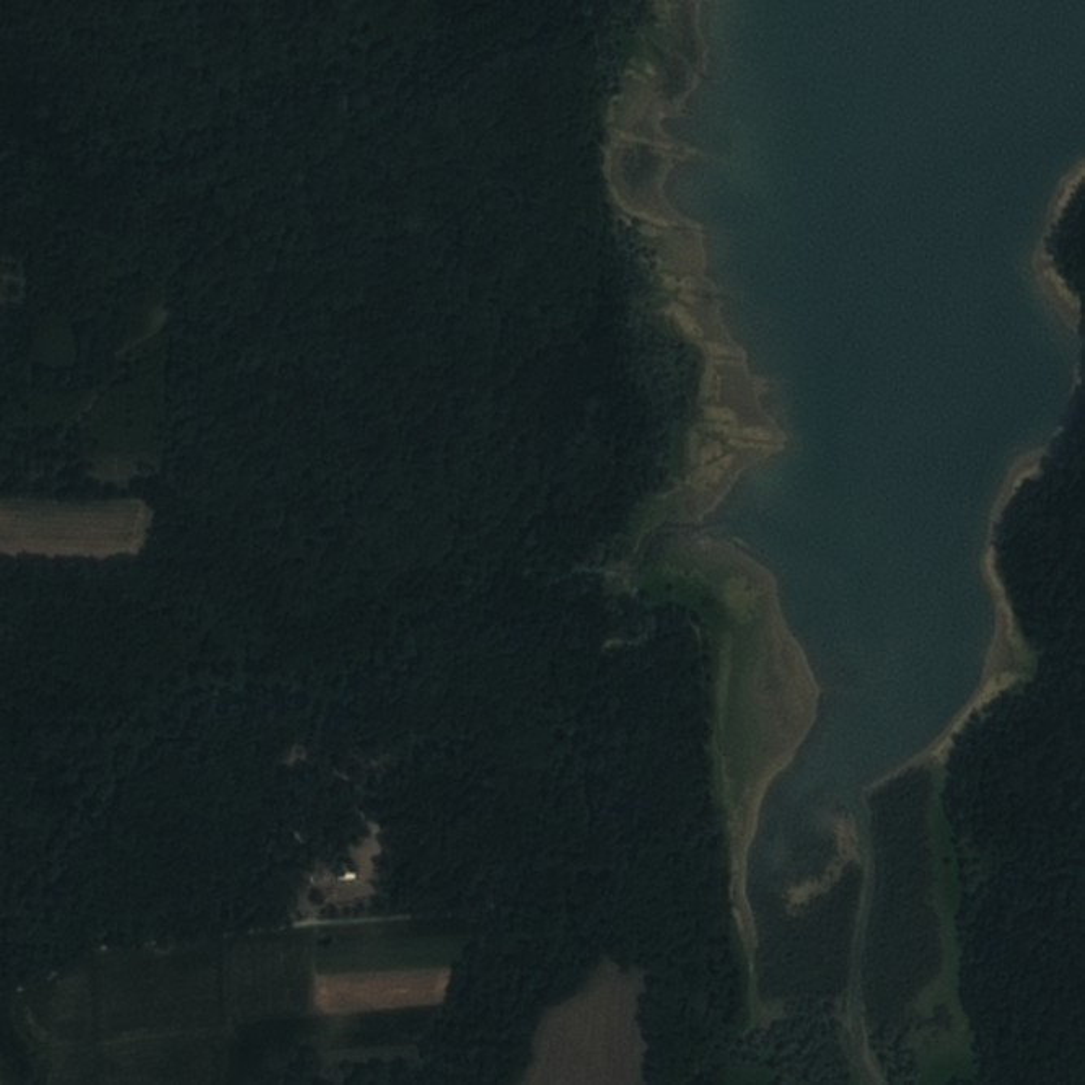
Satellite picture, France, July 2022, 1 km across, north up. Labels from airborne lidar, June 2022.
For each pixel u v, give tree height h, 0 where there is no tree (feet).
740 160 0
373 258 76
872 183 0
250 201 67
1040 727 69
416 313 81
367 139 73
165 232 74
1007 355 0
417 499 95
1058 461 65
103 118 73
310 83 78
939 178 0
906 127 0
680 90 0
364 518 85
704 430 0
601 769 64
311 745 82
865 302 0
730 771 0
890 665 0
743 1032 0
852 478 0
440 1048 74
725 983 33
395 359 83
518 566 66
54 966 58
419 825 60
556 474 75
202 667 87
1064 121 0
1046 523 73
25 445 52
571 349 59
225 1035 0
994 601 0
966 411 0
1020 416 0
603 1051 0
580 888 88
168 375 33
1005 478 0
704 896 104
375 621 45
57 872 68
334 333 86
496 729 81
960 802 89
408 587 47
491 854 46
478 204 88
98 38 69
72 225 47
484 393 87
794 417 0
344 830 64
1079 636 98
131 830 78
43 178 69
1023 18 0
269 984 0
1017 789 70
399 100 73
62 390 39
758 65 0
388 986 0
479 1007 53
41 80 80
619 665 65
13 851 69
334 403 89
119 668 31
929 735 0
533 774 76
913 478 0
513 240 86
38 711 67
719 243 0
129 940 59
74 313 64
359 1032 0
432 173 82
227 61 94
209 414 52
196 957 0
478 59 64
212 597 76
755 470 0
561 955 95
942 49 0
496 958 63
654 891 63
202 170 82
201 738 71
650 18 29
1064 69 0
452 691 77
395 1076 58
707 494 0
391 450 73
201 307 45
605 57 39
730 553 0
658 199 0
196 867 90
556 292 82
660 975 59
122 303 39
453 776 66
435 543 79
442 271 77
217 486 68
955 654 0
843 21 0
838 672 0
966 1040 0
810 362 0
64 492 48
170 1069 0
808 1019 21
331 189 78
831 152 0
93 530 0
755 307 0
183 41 75
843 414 0
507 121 97
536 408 46
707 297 0
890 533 0
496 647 92
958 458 0
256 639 42
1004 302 0
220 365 69
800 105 0
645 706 58
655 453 41
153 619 41
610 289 70
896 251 0
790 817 0
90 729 70
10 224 66
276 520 79
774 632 0
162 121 87
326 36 96
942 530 0
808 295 0
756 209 0
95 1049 0
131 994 0
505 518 93
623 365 55
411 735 73
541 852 81
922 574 0
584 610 54
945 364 0
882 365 0
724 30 0
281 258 80
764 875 0
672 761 77
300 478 89
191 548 72
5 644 33
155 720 29
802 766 0
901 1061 44
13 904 85
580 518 82
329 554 83
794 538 0
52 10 87
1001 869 24
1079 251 65
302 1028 0
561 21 60
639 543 0
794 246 0
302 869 74
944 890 0
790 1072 25
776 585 0
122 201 65
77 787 74
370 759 32
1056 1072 64
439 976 0
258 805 78
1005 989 94
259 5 62
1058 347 0
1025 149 0
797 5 0
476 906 63
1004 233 0
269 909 79
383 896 24
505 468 92
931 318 0
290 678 36
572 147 91
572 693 72
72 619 41
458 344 83
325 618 36
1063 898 72
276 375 75
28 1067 0
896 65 0
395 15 69
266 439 66
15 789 91
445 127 82
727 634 0
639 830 93
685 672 84
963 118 0
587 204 77
